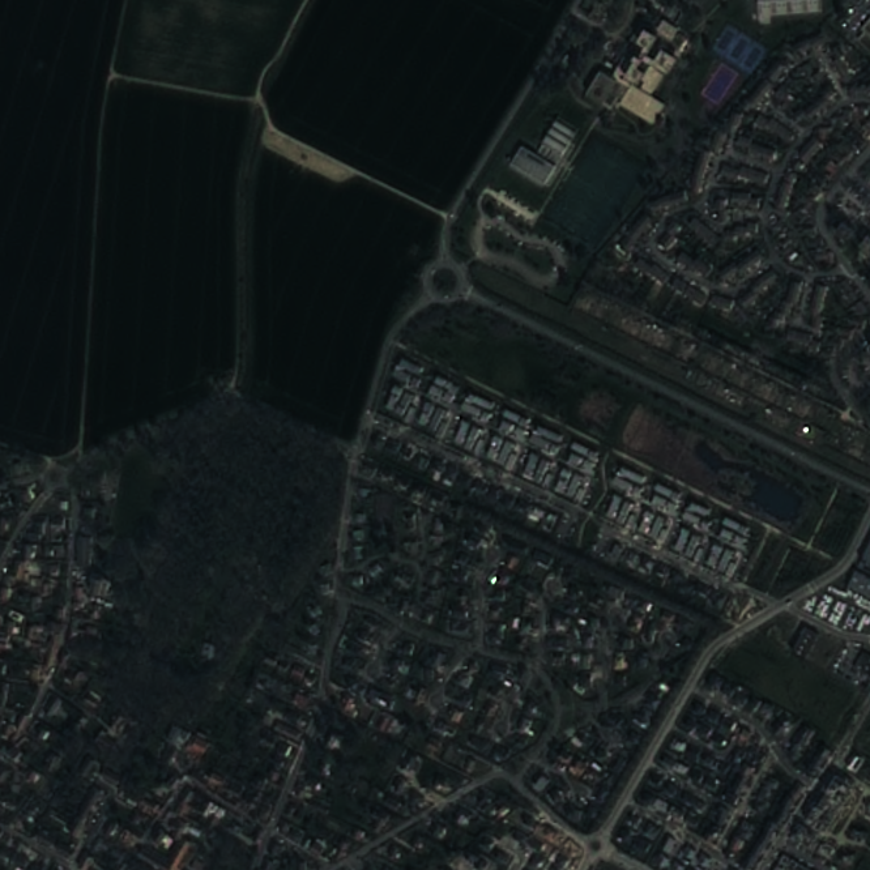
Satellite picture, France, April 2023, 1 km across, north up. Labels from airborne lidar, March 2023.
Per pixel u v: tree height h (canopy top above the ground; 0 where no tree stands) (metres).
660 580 0
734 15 0
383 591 12
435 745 0
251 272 0
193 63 0
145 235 0
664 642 0
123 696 23
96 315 0
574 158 0
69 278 0
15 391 0
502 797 8
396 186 0
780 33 0
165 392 0
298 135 0
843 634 0
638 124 0
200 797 9
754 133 10
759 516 0
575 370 0
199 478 24
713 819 0
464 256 0
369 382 0
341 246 0
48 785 0
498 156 0
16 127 0
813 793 0
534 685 0
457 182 0
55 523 0
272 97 0
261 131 0
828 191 0
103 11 0
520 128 0
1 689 0
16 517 12
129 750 17
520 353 0
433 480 0
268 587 23
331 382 0
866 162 0
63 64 0
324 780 6
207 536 26
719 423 0
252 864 6
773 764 0
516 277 0
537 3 0
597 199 0
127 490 0
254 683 7
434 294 0
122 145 0
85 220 0
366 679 0
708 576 0
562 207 0
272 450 16
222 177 0
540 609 0
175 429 16
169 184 0
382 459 0
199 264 0
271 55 0
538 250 0
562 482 0
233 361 0
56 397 0
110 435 0
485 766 0
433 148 0
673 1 18
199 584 29
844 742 0
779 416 0
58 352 0
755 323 0
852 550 0
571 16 0
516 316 0
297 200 0
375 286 0
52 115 0
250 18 0
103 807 0
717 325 0
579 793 0
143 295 0
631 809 0
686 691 0
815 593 0
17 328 0
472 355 0
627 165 0
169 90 0
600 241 0
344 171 0
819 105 0
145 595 26
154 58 0
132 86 0
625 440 0
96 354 0
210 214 0
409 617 0
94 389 0
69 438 0
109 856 11
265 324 0
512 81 0
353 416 0
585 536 0
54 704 0
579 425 0
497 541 0
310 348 0
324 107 0
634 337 0
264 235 0
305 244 0
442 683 0
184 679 26
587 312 0
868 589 0
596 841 0
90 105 0
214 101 0
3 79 0
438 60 0
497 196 0
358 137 0
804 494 10
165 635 23
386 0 0
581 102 0
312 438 22
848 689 0
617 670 0
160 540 31
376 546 15
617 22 11
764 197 0
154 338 0
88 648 19
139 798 17
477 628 0
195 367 0
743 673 0
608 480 0
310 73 0
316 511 18
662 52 0
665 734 0
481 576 0
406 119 0
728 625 0
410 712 0
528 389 0
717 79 0
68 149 0
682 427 10
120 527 0
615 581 13
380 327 0
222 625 22
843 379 10
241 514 18
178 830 0
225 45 0
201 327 0
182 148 0
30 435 0
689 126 11
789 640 0
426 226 0
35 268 0
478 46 0
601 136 0
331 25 0
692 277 0
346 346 0
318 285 0
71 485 0
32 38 0
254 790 6
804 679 0
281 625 23
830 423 0
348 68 0
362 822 6
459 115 0
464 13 0
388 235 0
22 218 0
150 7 0
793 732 0
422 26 0
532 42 0
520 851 0
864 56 0
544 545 12
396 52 0
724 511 0
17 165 0
